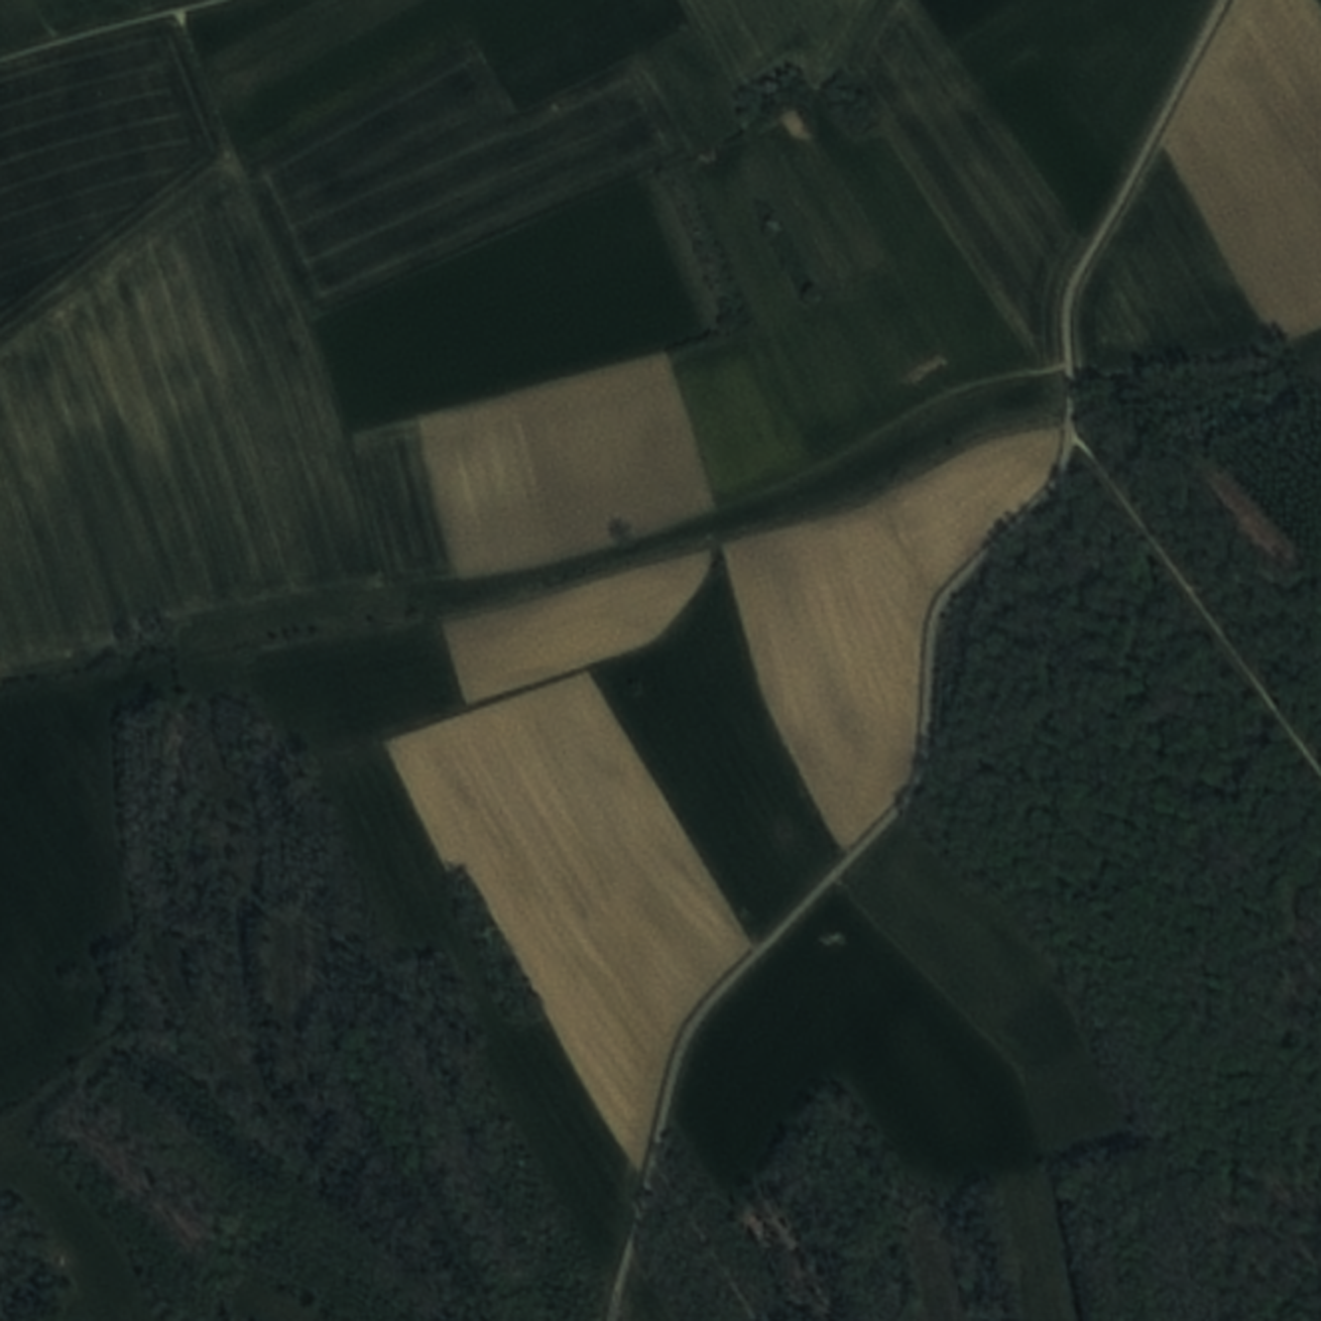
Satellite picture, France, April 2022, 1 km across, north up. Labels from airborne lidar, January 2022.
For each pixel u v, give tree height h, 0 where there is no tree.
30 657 0
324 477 0
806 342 0
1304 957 29
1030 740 29
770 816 0
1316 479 0
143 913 13
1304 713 25
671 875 0
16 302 0
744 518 0
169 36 0
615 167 0
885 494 0
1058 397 0
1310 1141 24
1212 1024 26
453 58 0
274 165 0
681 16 0
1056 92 0
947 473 0
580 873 0
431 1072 25
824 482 0
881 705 0
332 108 0
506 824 0
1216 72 0
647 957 0
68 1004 0
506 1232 24
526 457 0
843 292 0
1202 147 0
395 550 0
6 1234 28
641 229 0
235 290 0
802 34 0
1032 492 0
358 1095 24
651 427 0
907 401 0
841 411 0
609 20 0
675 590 0
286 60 0
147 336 0
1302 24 0
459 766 0
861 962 0
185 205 0
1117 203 0
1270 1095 24
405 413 0
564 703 0
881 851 0
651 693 0
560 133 0
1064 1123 0
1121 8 0
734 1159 0
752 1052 0
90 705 0
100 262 0
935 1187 0
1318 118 0
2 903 0
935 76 0
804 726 0
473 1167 22
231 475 0
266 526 0
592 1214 0
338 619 0
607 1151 0
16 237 0
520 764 0
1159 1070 23
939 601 0
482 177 0
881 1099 0
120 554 0
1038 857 27
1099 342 0
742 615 0
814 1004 0
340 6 0
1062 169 0
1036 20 0
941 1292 0
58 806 0
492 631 0
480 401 0
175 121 0
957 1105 0
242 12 0
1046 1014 0
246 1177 25
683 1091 0
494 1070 0
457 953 0
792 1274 25
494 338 0
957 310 0
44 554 0
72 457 0
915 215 0
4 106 0
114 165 0
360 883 15
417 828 0
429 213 0
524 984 18
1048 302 0
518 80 0
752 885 0
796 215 0
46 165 0
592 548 0
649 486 0
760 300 0
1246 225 0
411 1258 22
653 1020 0
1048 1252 0
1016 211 0
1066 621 27
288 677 0
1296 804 26
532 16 0
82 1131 12
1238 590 28
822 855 0
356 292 0
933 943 0
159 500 0
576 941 0
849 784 0
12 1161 0
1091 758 27
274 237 0
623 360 0
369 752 0
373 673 0
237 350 0
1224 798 9
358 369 0
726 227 0
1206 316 0
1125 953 24
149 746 23
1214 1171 25
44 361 0
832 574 0
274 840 24
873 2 0
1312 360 0
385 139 0
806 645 0
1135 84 0
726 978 0
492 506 0
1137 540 25
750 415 0
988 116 0
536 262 0
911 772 0
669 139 0
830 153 0
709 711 0
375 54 0
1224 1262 29
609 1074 0
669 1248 0
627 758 0
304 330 0
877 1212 25
